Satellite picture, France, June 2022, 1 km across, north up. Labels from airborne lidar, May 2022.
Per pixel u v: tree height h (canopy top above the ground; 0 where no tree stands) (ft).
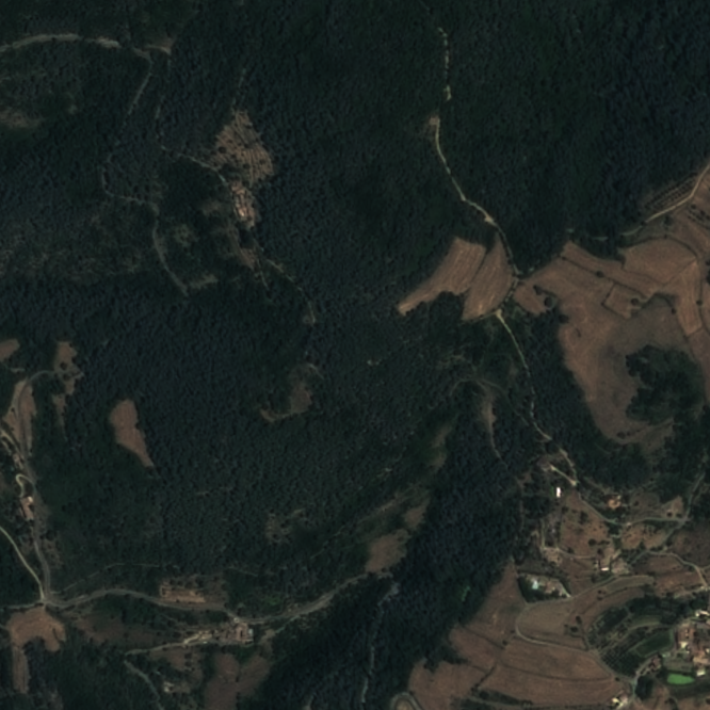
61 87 29
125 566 28
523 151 44
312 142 50
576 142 31
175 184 34
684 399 27
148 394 53
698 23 47
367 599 67
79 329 54
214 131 23
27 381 0
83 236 48
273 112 59
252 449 59
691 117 73
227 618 27
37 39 20
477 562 45
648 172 54
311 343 50
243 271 42
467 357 25
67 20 69
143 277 36
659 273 0
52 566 0
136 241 27
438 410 31
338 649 79
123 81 53
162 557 40
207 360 46
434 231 34
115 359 52
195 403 66
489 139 68
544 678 0
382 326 43
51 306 57
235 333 59
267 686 35
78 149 40
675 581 0
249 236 81
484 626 0
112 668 33
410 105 54
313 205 67
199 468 56
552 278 0
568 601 0
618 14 50
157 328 51
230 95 26
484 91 44
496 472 68
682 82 61
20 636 0
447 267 0
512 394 35
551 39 53
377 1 39
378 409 59
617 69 71
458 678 0
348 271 62
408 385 58
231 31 32
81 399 52
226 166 37
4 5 36
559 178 42
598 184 32
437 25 34
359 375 57
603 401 0
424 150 31
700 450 29
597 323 0
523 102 55
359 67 50
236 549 65
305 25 27
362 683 22
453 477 64
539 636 0
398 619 31
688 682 0
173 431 46
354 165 32
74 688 39
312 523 44
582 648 0
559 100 31
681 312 0
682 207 0
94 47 36
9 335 26
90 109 47
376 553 0
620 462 28
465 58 65
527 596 29
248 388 59
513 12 40
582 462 36
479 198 34
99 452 32
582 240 33
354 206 44
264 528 68
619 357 0
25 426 0
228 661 0
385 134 56
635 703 0
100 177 28
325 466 70
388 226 42
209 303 66
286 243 53
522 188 51
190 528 64
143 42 41
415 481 30
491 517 42
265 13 22
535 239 51
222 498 77
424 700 0
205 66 46
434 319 52
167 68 23
